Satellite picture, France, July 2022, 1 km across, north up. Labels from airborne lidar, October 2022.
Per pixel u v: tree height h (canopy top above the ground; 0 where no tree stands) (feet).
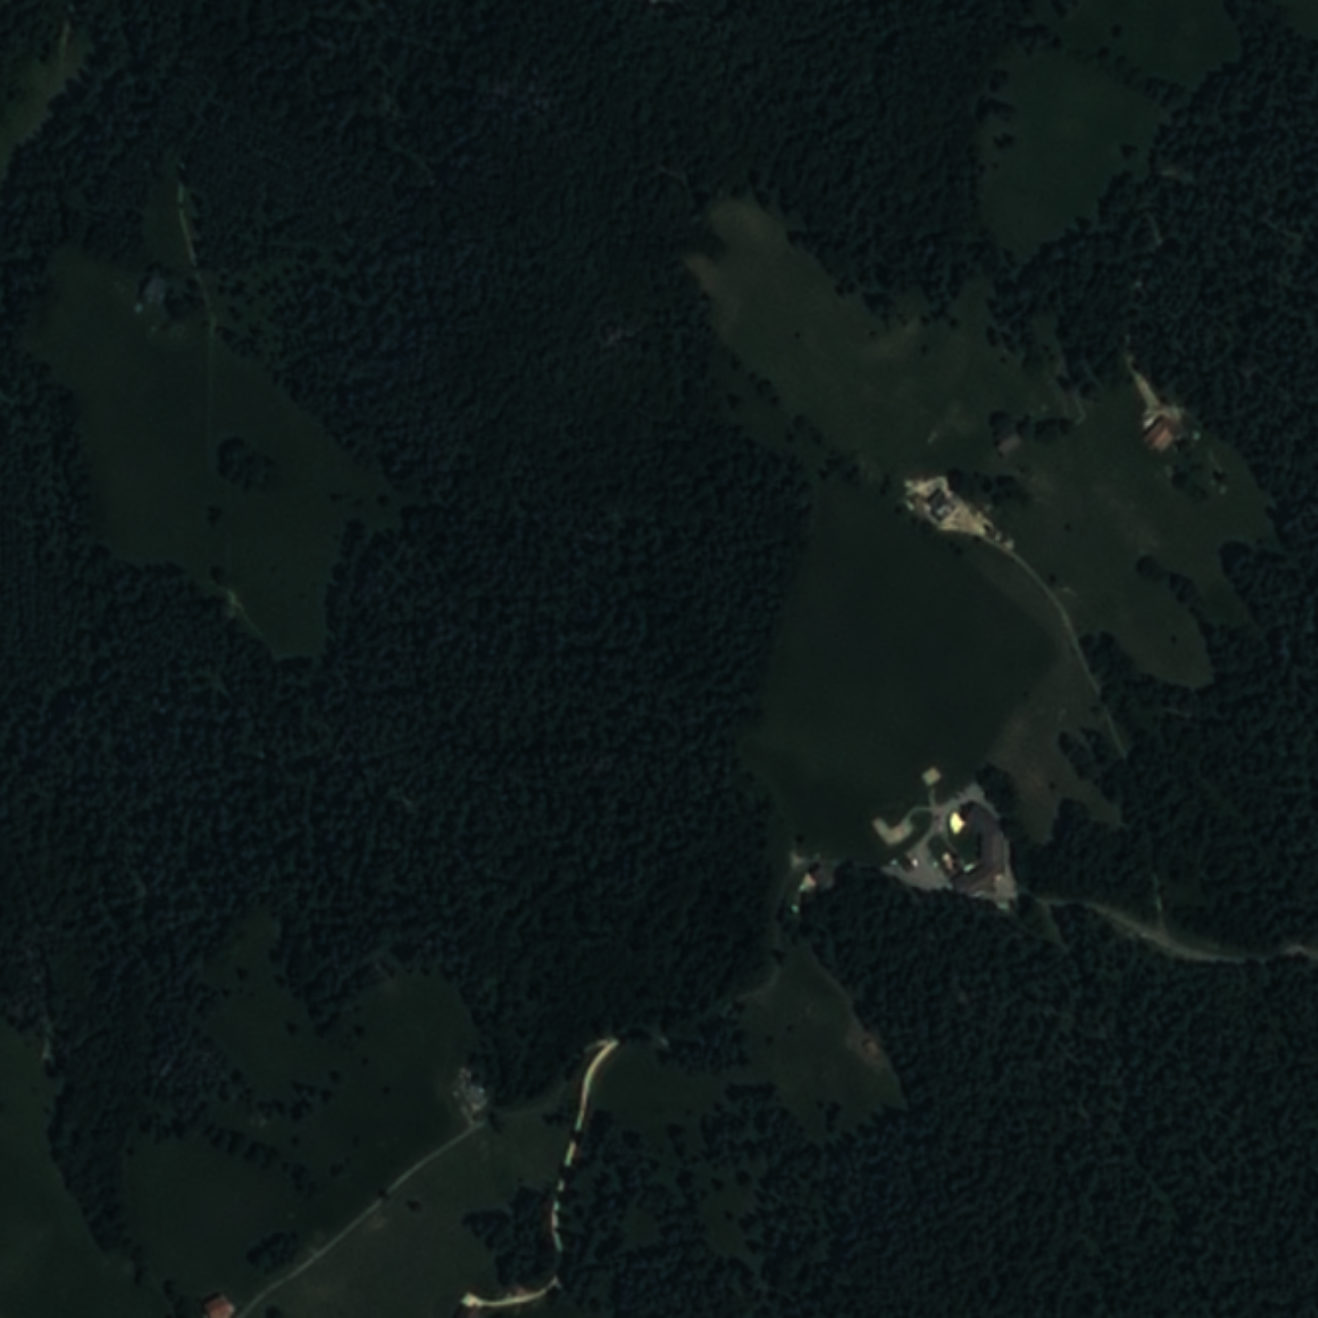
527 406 85
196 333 0
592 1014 27
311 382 41
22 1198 0
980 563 0
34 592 76
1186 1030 80
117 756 30
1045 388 0
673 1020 58
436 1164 0
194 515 0
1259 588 58
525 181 104
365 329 53
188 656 66
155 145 61
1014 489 42
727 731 83
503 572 64
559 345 69
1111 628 0
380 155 63
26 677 83
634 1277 55
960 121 79
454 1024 0
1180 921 31
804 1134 92
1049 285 59
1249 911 41
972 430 0
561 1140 0
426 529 59
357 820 86
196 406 0
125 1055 99
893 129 103
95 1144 95
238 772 122
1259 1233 43
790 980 0
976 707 0
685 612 65
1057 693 0
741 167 89
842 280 21
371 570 72
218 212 49
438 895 81
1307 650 73
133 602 62
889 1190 113
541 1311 0
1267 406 92
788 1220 76
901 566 0
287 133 65
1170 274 86
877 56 76
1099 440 0
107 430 0
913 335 0
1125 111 0
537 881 68
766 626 49
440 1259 0
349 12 90
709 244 73
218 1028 0
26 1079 0
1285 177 95
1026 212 0
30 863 101
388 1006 0
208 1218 0
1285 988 51
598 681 75
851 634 0
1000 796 51
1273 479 89
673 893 94
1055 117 0
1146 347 35
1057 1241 89
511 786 100
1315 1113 58
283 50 95
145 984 104
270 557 0
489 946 104
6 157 0
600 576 86
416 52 89
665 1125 0
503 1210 0
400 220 46
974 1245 100
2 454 68
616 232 71
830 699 0
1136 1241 67
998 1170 98
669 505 106
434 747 86
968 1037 88
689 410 72
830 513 0
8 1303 0
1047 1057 111
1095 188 0
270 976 0
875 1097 0
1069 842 72
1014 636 0
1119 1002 23
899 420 0
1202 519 0
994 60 74
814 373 0
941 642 0
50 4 41
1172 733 36
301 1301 0
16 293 70
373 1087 0
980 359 0
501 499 93
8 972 98
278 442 0
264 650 50
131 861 99
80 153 81
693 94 107
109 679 41
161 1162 0
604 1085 0
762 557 60
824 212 83
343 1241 0
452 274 82
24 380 99
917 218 95
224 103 57
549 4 90
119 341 0
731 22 85
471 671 77
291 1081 0
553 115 84
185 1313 30
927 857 0
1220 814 38
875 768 0
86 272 0
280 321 24
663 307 38
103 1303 0
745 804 59
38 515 51
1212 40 0
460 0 39
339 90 62
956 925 69
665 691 89
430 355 90
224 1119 0
